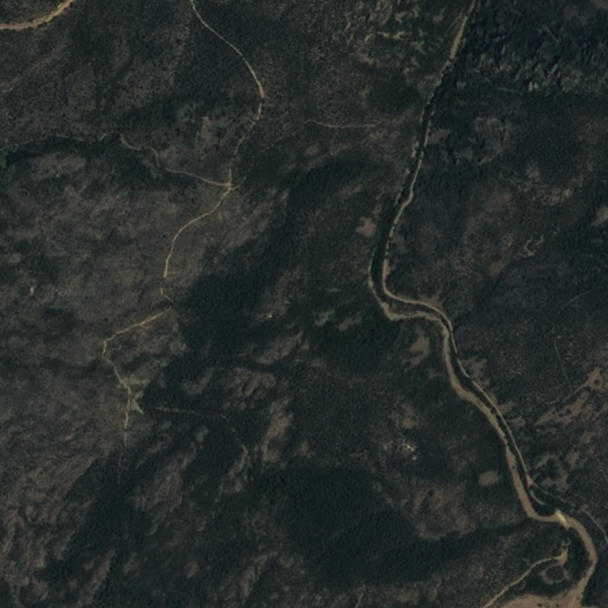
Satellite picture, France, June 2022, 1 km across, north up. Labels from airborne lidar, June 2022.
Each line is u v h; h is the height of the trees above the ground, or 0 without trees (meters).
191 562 0
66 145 13
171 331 0
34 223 0
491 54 8
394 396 7
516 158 8
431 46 11
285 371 10
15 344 0
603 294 7
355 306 7
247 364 9
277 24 7
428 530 0
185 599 11
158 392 8
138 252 0
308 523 11
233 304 12
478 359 6
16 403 0
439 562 12
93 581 0
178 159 0
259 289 11
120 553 10
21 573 0
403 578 9
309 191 11
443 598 6
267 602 0
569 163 9
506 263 0
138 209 0
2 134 0
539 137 8
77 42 6
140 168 7
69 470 0
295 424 8
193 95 8
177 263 0
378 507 7
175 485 0
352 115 6
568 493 9
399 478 0
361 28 6
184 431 7
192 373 8
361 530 10
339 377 6
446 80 8
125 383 0
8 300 0
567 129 7
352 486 11
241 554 7
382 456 7
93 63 6
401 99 8
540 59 6
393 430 6
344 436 7
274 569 8
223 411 9
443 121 7
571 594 0
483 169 7
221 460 7
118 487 9
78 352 0
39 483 0
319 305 7
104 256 0
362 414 10
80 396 0
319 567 8
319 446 10
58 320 0
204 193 0
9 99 6
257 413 8
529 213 6
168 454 8
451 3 9
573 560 8
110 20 7
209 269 0
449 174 7
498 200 0
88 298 0
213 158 0
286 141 6
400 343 10
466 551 11
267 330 12
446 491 0
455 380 0
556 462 6
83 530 10
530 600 0
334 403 8
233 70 8
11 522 0
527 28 8
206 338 10
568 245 7
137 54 7
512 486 8
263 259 8
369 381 7
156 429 7
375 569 8
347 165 7
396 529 9
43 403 0
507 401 6
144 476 8
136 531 9
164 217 0
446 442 6
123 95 0
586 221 8
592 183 7
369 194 6
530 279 5
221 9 7
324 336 6
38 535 11
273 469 7
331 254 8
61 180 6
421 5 8
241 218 0
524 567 8
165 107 7
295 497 12
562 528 8
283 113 7
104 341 0
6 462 7
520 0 5
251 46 7
